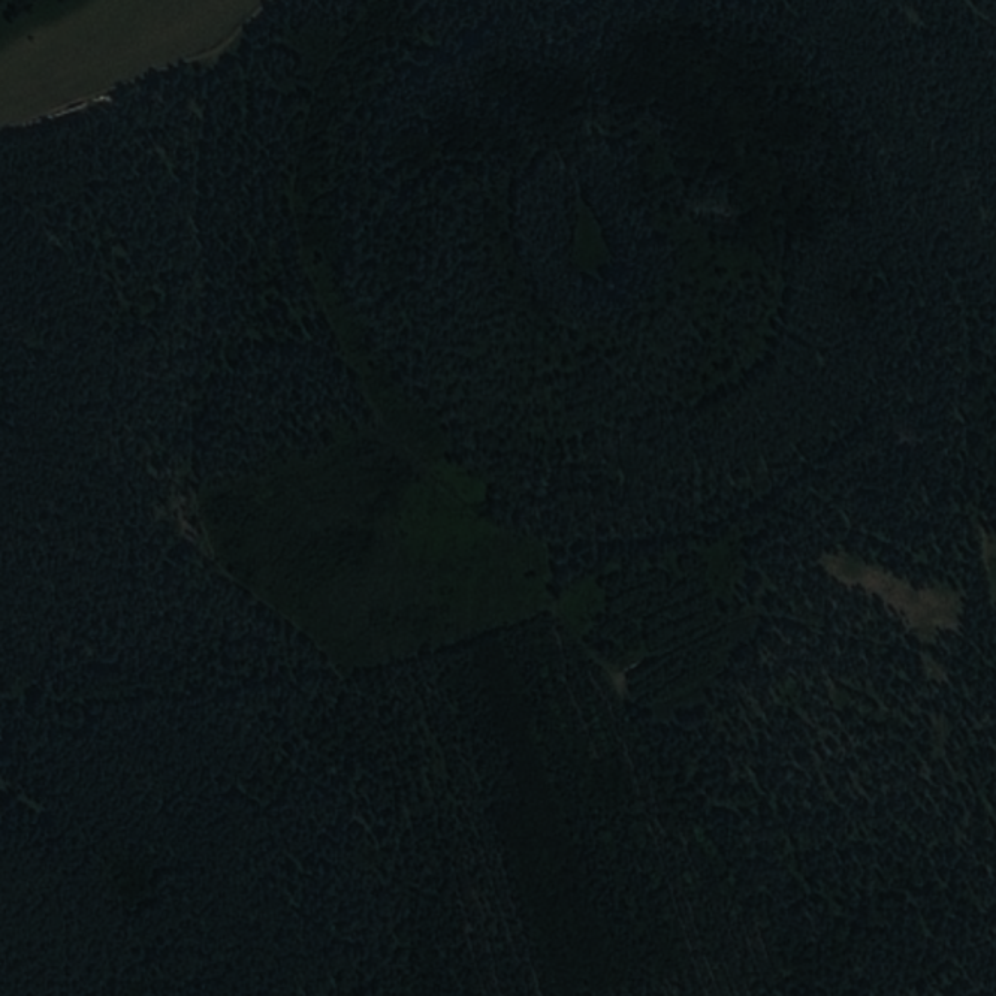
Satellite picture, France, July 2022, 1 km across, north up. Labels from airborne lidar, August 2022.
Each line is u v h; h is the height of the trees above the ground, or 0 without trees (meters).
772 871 17
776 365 27
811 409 25
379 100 8
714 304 14
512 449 18
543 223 29
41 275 24
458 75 31
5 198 24
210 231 22
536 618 6
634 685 14
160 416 29
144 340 25
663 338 17
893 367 29
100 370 24
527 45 28
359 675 17
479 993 13
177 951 22
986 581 23
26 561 28
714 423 21
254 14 0
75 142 22
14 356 27
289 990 28
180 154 27
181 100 32
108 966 21
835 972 21
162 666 30
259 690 31
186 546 23
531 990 13
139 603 26
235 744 23
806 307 27
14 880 14
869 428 20
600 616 12
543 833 15
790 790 20
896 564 22
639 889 13
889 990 25
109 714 22
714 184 26
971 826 8
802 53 32
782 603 18
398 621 8
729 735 7
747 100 25
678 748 11
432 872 11
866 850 27
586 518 20
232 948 26
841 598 21
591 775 7
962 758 6
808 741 23
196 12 0
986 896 18
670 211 9
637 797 11
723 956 13
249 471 26
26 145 20
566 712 8
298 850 28
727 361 22
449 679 12
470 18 30
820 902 21
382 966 26
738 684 21
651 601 13
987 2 18
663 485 22
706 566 11
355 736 16
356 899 29
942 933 18
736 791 21
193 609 29
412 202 23
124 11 0
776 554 22
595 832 13
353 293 28
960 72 21
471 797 16
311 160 9
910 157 20
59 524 21
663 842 8
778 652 18
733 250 12
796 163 28
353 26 7
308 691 30
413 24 12
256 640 22
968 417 31
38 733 26
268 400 29
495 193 8
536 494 23
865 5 19
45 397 30
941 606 0
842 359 24
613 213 28
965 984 23
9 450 24
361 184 12
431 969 13
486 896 7
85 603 19
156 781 24
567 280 29
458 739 15
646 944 8
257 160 23
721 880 13
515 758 17
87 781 27
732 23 28
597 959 16
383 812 24
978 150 20
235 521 7
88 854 23
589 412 22
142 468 28
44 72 0
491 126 26
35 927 19
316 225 7
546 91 23
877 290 28
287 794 22
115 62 0
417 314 17
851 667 20
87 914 20
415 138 23
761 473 16
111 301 19
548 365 7
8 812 21
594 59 29
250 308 6
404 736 20
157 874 24
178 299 26
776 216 24
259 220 27
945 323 25
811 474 22
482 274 17
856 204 22
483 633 8
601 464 19
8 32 0
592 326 17
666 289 9
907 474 22
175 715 27
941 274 25
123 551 24
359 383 16
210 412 18
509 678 14
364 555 5
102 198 23
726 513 6
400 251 12
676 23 23
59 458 24
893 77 20
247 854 22
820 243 25
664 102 21
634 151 19
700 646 13
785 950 19
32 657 28
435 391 19
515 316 9
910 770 25
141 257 28
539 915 16
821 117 24
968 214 20
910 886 9
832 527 21
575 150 26
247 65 23
